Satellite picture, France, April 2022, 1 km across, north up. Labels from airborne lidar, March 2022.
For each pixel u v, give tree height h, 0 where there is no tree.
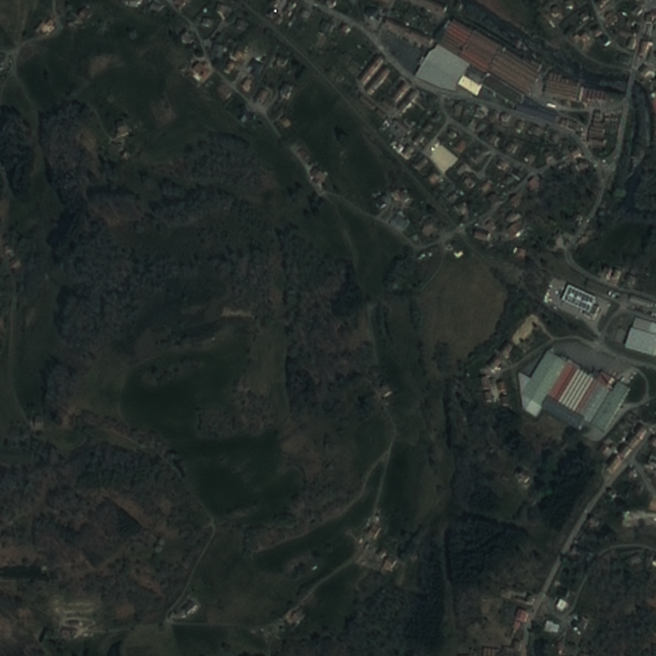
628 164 24
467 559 27
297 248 25
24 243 16
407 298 20
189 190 0
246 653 0
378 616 22
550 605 0
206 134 0
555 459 24
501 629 0
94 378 0
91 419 13
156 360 0
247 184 17
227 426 11
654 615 15
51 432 0
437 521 0
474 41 0
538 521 23
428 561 19
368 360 17
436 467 23
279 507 0
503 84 0
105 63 0
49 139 31
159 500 11
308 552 0
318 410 24
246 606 0
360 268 0
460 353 0
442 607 25
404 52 0
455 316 0
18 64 0
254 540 19
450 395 7
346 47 0
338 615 0
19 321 0
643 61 0
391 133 0
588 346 0
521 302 13
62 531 19
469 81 0
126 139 0
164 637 0
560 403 0
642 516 0
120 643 0
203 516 0
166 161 0
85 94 0
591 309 0
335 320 20
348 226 0
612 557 0
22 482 20
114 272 21
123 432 14
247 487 0
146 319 0
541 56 9
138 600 19
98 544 24
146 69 0
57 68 0
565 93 0
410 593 0
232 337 0
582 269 0
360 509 0
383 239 0
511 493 0
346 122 0
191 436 0
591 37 0
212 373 0
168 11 7
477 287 0
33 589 13
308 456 0
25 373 0
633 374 0
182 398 0
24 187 33
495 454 0
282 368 0
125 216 30
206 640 0
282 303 0
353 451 0
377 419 0
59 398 20
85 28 0
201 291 0
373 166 0
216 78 0
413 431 0
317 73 0
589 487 20
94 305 27
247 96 0
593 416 0
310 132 0
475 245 0
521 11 0
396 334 12
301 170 0
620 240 0
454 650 0
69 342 23
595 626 0
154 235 0
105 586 14
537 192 0
